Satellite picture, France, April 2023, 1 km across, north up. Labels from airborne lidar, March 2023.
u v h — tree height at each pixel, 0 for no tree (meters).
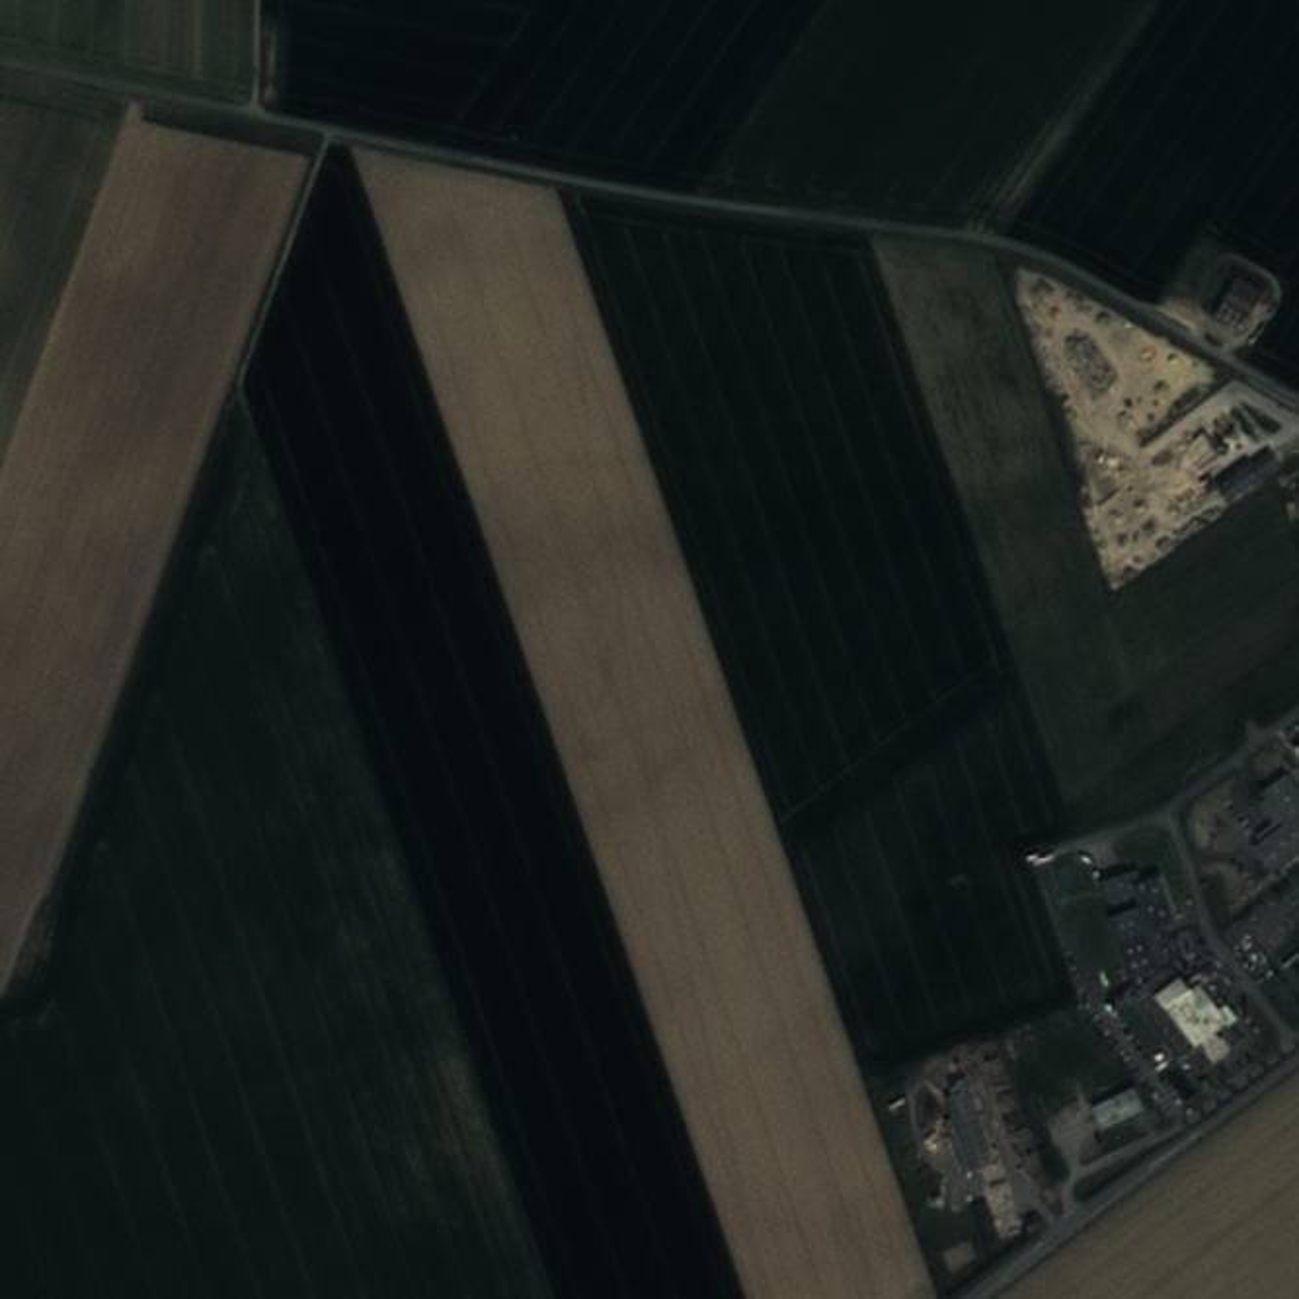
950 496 0
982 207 0
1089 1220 0
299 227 0
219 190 0
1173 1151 0
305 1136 0
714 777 0
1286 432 0
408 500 0
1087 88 0
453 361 0
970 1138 0
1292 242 0
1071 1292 0
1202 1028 0
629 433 0
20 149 0
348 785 0
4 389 0
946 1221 0
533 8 0
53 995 0
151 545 0
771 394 0
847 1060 0
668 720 0
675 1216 0
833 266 0
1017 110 0
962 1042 0
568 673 0
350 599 0
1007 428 0
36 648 0
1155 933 0
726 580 0
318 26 0
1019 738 0
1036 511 0
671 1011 0
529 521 0
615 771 0
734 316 0
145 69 0
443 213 0
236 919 0
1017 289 0
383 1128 0
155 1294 0
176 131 0
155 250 0
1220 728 0
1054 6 0
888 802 0
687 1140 0
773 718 0
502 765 0
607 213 0
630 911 0
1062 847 0
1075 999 0
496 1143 0
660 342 0
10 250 0
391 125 0
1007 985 0
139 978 0
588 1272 0
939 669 0
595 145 0
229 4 0
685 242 0
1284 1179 0
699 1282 0
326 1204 0
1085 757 0
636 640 0
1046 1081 0
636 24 0
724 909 0
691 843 0
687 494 0
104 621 0
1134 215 0
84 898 0
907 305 0
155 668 0
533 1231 0
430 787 0
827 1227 0
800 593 0
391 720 0
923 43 0
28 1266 0
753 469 0
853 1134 0
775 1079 0
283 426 0
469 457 0
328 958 0
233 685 0
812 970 0
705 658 0
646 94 0
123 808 0
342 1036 0
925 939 0
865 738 0
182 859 0
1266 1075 8
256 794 0
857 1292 0
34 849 0
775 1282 0
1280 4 0
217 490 0
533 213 0
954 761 0
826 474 0
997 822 0
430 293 0
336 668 0
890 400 0
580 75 0
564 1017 0
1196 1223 0
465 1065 0
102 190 0
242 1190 0
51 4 0
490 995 0
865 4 0
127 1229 0
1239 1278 0
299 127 0
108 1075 0
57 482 0
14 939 0
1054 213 0
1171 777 0
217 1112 0
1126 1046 0
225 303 0
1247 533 0
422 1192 0
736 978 0
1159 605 0
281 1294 0
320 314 0
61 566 0
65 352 0
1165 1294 0
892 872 0
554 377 0
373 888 0
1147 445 0
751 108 0
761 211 0
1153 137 0
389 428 0
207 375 0
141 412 0
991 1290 0
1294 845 0
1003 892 0
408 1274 0
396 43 0
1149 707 0
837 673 0
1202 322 0
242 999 0
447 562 0
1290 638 0
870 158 0
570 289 0
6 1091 0
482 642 0
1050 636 0
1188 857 0
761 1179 0
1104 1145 0
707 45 0
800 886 0
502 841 0
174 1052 0
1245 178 0
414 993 0
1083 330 0
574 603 0
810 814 0
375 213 0
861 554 0
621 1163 0
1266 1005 0
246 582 0
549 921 0
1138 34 0
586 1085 0
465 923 0
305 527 0
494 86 0
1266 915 0
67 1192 0
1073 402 0
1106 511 0
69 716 0
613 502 0
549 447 0
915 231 0
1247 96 0
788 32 0
